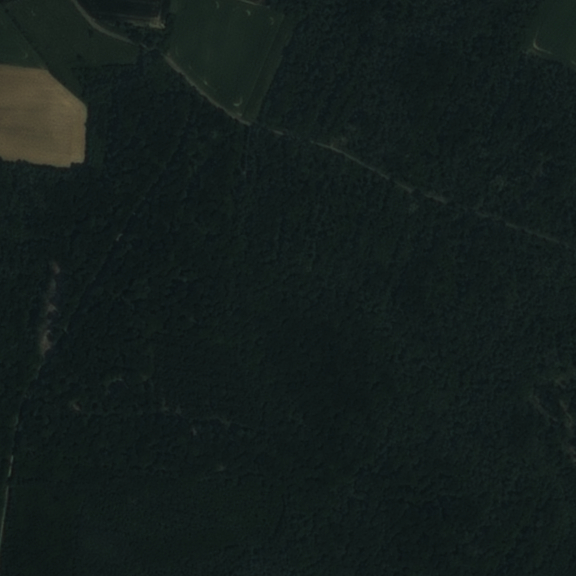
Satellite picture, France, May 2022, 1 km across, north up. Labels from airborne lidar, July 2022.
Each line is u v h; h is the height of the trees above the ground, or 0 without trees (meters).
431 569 21
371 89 23
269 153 23
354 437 23
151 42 19
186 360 16
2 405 25
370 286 28
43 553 11
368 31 25
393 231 13
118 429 25
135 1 0
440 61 34
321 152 24
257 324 23
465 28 32
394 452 27
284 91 23
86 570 16
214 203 26
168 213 29
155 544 14
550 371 24
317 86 28
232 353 12
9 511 9
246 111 0
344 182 12
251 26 0
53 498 12
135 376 29
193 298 33
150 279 32
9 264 27
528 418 26
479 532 28
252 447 30
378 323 18
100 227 26
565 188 22
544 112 27
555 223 24
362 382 24
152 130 27
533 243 26
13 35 0
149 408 27
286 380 31
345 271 20
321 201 17
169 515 23
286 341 30
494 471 26
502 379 17
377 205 18
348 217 14
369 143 19
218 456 26
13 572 12
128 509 15
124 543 20
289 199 32
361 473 24
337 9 23
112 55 0
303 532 21
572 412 18
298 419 19
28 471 13
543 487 18
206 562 15
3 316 32
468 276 23
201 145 31
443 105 23
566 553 22
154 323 29
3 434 24
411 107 29
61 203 34
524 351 21
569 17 0
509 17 30
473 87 27
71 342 30
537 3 24
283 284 25
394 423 26
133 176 31
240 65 0
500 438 27
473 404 25
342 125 16
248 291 21
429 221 25
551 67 22
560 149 26
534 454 26
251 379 15
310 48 28
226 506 14
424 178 9
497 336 28
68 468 12
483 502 29
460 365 28
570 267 24
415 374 24
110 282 30
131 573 12
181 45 0
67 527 15
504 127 25
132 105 31
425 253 25
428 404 26
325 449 30
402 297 29
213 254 26
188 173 33
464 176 20
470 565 21
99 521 13
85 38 0
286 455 31
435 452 28
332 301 26
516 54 21
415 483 6
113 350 29
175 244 34
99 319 32
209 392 13
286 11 26
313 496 28
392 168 22
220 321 27
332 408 30
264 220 28
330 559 27
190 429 30
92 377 29
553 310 18
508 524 24
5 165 22
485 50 29
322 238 23
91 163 21
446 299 11
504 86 24
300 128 24
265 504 15
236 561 14
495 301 28
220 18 0
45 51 0
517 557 26
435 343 29
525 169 27
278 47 0
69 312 15
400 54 23
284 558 22
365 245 21
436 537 33
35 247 30
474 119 29
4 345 25
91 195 33
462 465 26
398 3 17
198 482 13
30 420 30
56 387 30
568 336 19
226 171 26
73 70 7
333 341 32
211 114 30
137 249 32
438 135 25
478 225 26
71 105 0
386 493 31
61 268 31
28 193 30
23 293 22
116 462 25
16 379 29
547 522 21
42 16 0
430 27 25
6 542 9
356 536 27
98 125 26
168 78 26
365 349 25
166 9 0
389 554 23
